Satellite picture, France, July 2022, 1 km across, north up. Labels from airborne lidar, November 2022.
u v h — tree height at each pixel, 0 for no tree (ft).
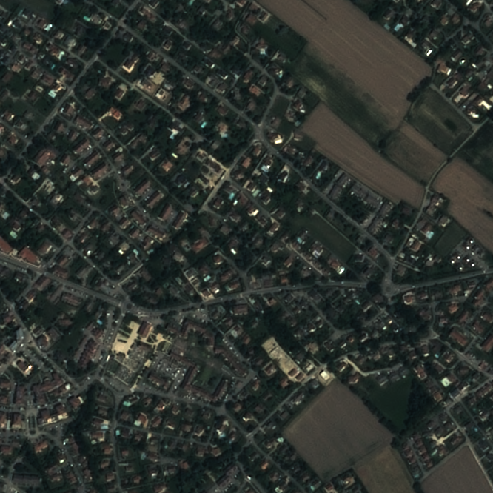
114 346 0
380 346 50
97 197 0
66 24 0
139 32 20
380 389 0
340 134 0
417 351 46
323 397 0
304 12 0
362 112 0
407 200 0
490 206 0
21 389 0
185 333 0
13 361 0
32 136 33
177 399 0
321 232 0
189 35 38
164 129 35
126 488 46
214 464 52
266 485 21
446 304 29
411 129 0
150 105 24
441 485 0
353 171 0
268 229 23
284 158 19
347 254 0
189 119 32
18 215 34
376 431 0
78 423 27
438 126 0
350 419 0
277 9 0
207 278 0
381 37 0
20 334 0
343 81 0
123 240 48
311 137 0
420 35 42
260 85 22
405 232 34
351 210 32
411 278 32
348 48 0
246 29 0
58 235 23
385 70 0
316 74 0
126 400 27
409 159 0
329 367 30
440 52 22
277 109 0
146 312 0
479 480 0
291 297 0
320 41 0
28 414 0
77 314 0
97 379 0
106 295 0
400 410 0
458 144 0
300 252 0
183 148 0
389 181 0
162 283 27
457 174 0
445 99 0
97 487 27
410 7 19
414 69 0
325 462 0
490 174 0
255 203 0
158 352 0
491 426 19
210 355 0
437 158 0
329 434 0
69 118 0
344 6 0
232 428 0
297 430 0
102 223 20
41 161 0
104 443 18
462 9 55
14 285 0
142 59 26
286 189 41
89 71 24
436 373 70
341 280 30
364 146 0
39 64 19
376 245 0
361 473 0
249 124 38
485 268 0
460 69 27
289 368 0
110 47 38
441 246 0
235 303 22
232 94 31
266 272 56
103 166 0
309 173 28
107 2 31
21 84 0
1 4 0
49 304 0
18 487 0
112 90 29
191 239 32
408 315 65
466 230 20
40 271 0
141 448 45
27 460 20
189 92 29
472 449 0
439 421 0
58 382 0
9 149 0
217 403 34
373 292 73
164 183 31
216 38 50
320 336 32
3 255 0
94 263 23
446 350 48
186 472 64
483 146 0
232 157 18
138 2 0
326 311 45
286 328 54
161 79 0
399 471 0
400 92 0
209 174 0
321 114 0
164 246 50
